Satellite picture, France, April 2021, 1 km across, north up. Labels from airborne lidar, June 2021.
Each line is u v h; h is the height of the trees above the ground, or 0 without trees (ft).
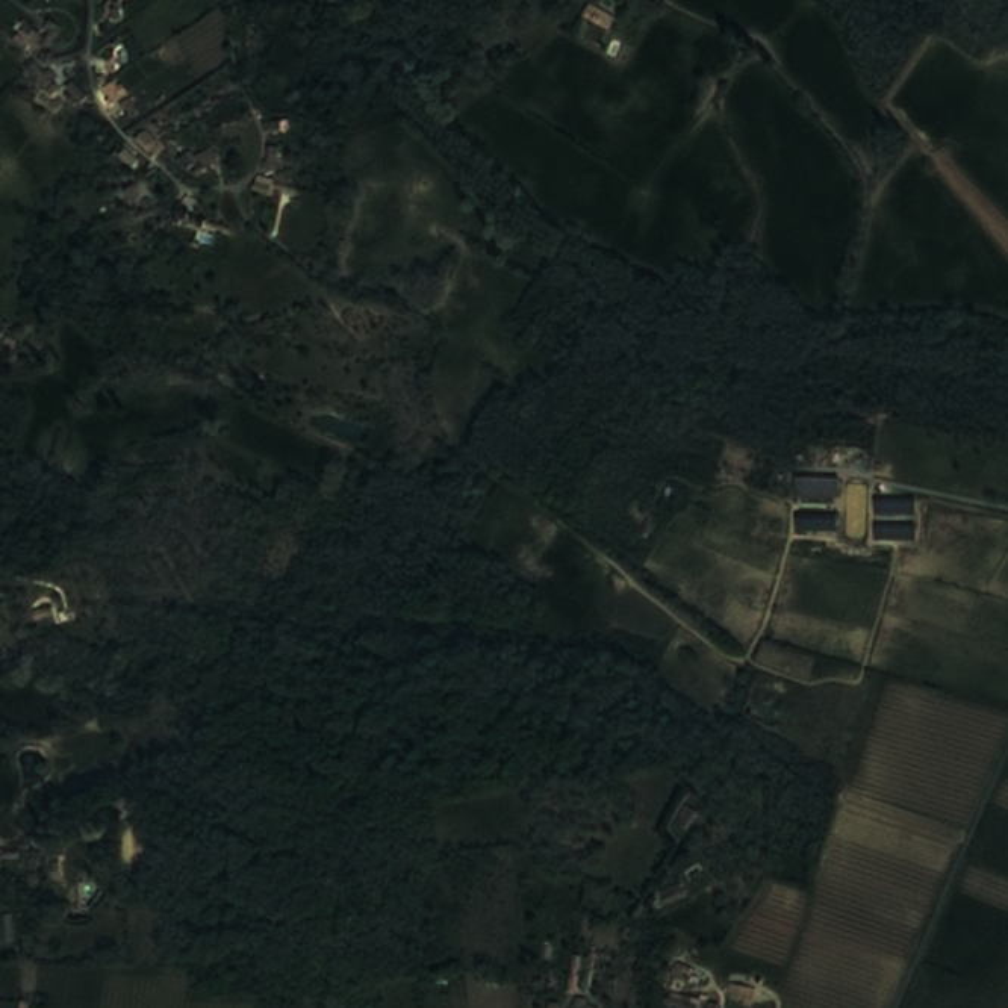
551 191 0
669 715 74
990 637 0
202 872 69
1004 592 0
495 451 76
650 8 59
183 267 36
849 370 31
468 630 42
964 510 0
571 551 0
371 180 0
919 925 0
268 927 59
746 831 72
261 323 21
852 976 0
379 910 52
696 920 0
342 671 94
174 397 0
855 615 0
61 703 59
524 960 28
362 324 0
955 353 80
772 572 0
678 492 29
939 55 0
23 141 0
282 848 61
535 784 51
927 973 0
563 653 53
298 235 0
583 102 0
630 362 78
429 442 40
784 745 27
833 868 0
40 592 0
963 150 0
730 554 0
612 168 0
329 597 53
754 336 82
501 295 0
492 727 67
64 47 0
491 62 43
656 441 44
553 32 0
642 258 0
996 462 0
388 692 87
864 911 0
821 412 39
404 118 93
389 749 23
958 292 0
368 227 0
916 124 0
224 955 53
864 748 0
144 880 47
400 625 34
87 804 62
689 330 82
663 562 0
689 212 0
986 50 37
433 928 55
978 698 0
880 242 0
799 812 64
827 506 0
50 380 0
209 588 41
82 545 52
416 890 64
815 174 0
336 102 33
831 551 0
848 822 0
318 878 61
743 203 0
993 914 0
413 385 53
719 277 79
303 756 87
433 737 68
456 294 0
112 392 0
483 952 0
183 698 65
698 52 0
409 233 0
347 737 67
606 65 0
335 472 90
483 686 80
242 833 38
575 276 57
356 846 64
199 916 42
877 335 73
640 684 57
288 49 0
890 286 0
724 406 60
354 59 45
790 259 0
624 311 64
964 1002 0
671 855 33
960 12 44
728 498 0
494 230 96
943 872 0
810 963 0
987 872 0
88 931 0
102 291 52
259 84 63
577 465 26
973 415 68
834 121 0
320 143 20
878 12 48
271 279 0
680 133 0
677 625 0
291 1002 52
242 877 78
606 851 40
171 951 65
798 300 67
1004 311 0
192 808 46
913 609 0
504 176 83
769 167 0
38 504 48
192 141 0
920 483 0
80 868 40
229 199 0
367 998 42
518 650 69
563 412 60
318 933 62
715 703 0
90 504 53
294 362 0
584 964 0
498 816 0
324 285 48
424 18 82
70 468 0
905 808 0
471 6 60
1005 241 0
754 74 0
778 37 0
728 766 63
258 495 45
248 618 56
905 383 79
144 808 48
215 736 74
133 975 0
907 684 0
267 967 57
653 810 0
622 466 51
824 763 23
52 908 55
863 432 28
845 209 0
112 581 39
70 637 52
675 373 81
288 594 43
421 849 71
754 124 0
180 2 0
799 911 0
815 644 0
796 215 0
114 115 0
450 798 60
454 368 0
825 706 0
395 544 72
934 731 0
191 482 34
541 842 58
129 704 86
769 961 0
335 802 71
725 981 0
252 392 96
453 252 24
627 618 0
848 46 30
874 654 0
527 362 0
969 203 0
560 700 87
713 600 0
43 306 27
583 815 53
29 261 35
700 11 0
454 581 78
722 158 0
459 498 71
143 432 0
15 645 22
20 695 0
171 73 0
